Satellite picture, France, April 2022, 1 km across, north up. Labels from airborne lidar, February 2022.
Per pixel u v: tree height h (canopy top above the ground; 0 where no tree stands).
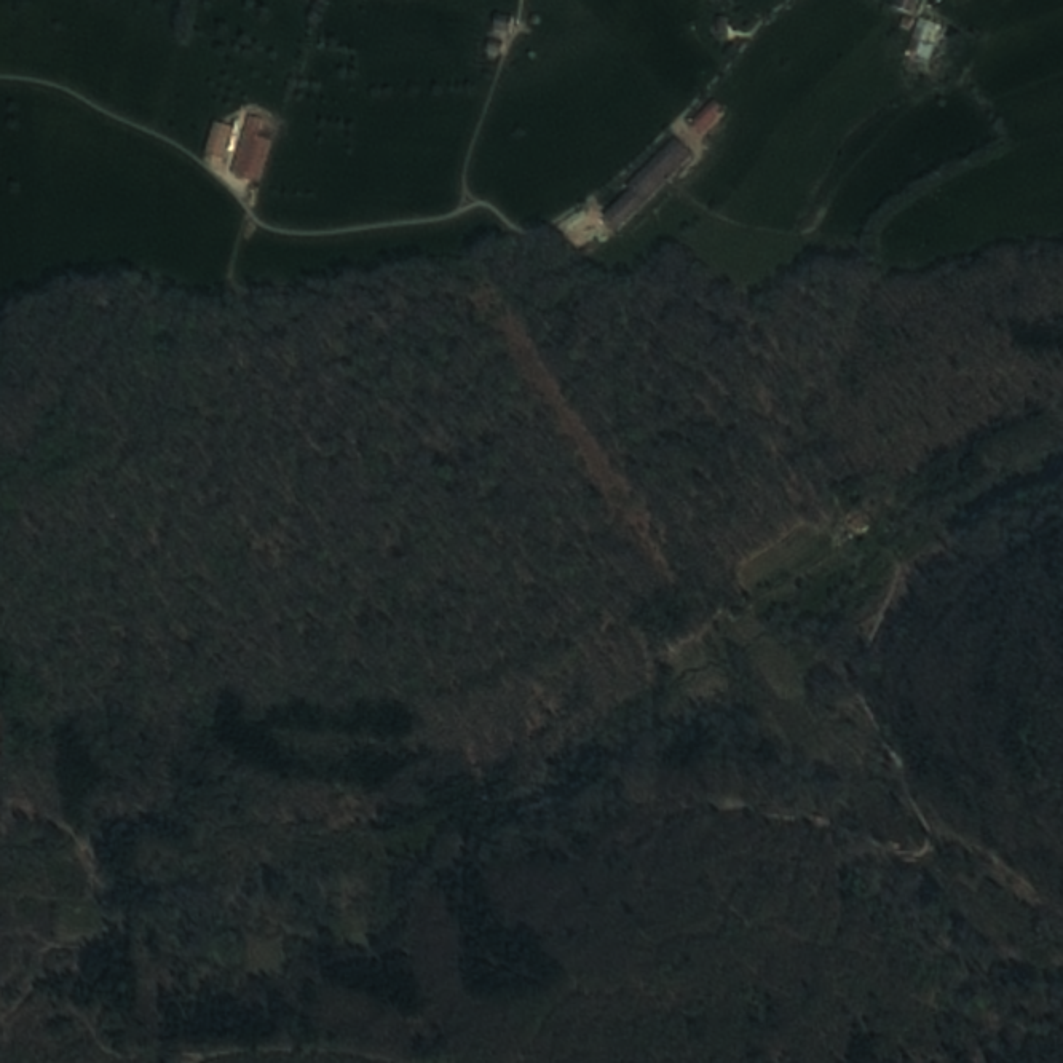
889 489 24
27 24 0
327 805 25
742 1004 8
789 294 29
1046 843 17
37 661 26
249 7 11
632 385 30
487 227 0
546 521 30
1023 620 22
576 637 26
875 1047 10
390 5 0
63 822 34
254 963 0
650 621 33
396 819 27
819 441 34
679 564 23
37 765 28
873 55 0
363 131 0
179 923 33
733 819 9
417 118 0
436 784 30
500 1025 9
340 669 25
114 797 30
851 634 27
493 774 32
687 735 23
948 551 25
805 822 10
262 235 0
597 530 29
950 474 17
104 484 27
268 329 32
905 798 17
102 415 30
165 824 24
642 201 0
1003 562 22
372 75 0
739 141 0
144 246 0
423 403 34
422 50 0
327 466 31
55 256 0
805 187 0
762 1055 16
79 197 0
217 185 0
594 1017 8
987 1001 24
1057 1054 10
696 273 26
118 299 33
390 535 28
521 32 0
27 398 33
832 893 9
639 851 9
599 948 10
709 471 31
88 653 27
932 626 18
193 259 0
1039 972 0
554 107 0
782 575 0
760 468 32
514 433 36
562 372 30
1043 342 20
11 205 0
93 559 29
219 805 30
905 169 0
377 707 16
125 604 26
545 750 29
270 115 0
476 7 0
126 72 0
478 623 25
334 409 34
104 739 28
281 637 28
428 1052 12
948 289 18
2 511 29
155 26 0
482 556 29
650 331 34
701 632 19
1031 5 0
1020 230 0
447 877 11
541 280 30
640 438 30
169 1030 9
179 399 32
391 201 0
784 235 0
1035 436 21
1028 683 16
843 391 15
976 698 18
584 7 0
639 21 0
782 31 0
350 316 37
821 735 0
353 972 17
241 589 28
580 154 0
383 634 26
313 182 0
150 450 28
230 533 31
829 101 0
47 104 0
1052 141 0
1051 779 13
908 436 16
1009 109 0
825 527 29
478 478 33
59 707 26
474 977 16
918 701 19
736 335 7
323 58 0
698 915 9
